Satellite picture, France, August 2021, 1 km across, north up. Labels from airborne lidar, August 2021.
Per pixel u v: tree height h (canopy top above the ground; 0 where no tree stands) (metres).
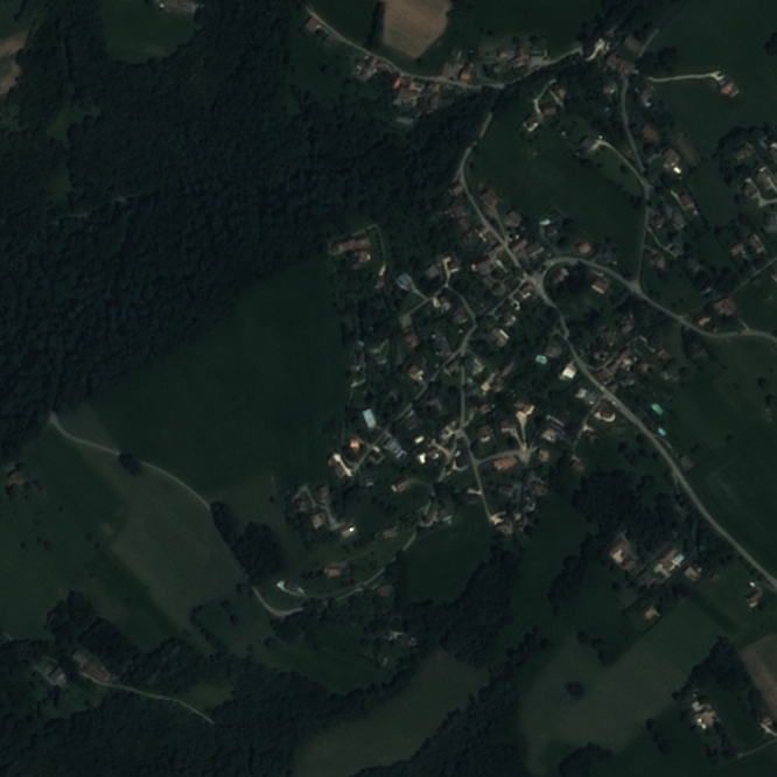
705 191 0
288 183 34
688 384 6
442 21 0
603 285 0
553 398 12
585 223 0
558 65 7
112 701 7
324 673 0
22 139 16
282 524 0
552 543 0
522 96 8
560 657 0
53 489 0
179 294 32
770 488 0
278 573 15
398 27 0
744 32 0
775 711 0
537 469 7
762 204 0
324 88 0
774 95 0
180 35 0
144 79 25
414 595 0
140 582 0
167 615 0
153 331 31
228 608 15
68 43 20
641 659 0
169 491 0
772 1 0
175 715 10
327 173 31
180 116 19
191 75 21
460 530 0
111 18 0
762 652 0
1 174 18
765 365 0
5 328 27
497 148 0
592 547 20
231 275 31
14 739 22
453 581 0
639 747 0
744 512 0
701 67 0
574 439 24
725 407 0
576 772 26
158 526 0
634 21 23
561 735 0
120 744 14
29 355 7
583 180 0
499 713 24
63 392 24
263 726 21
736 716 0
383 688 12
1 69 0
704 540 18
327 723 27
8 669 27
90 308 25
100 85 16
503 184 0
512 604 27
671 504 20
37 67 21
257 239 30
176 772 25
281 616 0
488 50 0
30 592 0
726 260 0
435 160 36
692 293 0
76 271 18
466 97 7
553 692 0
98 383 25
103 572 0
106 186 12
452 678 0
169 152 20
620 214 0
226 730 19
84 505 0
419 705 0
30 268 14
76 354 21
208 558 0
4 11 0
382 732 0
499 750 10
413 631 26
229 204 30
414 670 7
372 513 0
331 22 0
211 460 0
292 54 7
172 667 21
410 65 0
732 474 0
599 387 0
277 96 24
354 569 9
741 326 12
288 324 0
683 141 0
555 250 0
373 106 8
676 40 0
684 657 0
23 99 16
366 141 14
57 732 18
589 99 8
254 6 33
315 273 0
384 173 32
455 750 25
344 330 8
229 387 0
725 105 0
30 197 24
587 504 27
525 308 6
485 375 9
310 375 0
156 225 28
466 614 23
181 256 27
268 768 12
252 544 23
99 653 12
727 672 24
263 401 0
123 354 24
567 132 7
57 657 9
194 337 16
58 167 28
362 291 6
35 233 28
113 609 0
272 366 0
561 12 0
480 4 0
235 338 0
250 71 26
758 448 0
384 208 20
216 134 30
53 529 0
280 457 0
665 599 11
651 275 0
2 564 0
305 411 0
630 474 8
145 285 30
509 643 0
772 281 0
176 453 0
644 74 19
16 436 25
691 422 0
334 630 0
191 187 25
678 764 0
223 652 15
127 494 0
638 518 25
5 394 13
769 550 0
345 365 0
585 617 0
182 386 0
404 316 6
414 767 14
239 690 9
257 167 27
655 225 7
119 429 0
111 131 24
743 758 0
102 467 0
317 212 32
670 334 0
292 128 13
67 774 17
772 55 12
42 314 21
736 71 0
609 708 0
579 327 16
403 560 15
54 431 0
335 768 0
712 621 0
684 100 0
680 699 19
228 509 15
